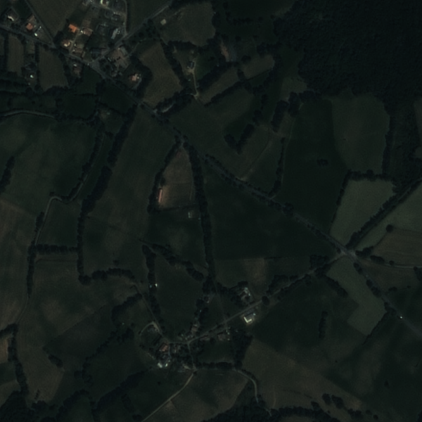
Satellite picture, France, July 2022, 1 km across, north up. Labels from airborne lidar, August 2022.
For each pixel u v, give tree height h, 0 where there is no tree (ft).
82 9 0
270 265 0
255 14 0
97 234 0
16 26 29
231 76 0
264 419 51
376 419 36
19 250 0
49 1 0
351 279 0
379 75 56
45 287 0
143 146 0
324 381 0
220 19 57
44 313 0
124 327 0
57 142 0
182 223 0
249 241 0
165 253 53
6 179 54
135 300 48
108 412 0
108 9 0
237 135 0
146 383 0
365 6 77
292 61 0
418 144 21
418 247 0
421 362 0
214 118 0
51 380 0
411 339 0
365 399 0
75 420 0
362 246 0
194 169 56
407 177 23
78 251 38
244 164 0
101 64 25
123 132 60
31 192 0
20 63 0
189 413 0
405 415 0
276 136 0
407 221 0
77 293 0
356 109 0
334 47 71
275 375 0
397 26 65
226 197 0
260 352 0
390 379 0
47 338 0
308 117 0
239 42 59
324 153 0
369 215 0
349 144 0
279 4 0
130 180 0
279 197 0
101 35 0
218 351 0
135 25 0
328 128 0
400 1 65
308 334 0
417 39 68
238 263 0
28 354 0
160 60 0
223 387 0
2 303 0
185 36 0
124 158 0
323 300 0
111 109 35
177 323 0
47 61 0
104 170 50
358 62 49
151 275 51
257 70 0
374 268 0
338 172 0
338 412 0
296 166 0
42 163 0
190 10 0
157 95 0
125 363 0
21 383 70
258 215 0
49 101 0
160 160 0
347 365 0
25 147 0
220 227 0
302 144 0
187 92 22
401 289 0
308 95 67
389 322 0
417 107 0
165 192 0
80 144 0
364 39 52
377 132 0
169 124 40
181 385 0
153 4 0
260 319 0
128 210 0
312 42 51
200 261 0
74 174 0
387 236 0
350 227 0
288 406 0
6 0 21
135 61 53
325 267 34
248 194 0
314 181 0
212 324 0
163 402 0
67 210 0
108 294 0
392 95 61
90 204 68
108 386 0
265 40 0
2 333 33
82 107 0
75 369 0
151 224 0
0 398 0
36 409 80
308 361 0
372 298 0
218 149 0
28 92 67
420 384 0
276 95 0
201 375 0
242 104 0
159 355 24
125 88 58
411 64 70
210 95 0
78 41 0
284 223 0
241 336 26
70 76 60
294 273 0
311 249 0
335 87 55
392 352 0
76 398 54
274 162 0
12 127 0
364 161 0
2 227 0
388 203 52
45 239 0
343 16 46
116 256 0
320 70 54
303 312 0
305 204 0
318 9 31
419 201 0
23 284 0
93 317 0
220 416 50
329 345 0
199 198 51
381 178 42
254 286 0
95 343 0
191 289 0
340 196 18
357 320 0
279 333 0
